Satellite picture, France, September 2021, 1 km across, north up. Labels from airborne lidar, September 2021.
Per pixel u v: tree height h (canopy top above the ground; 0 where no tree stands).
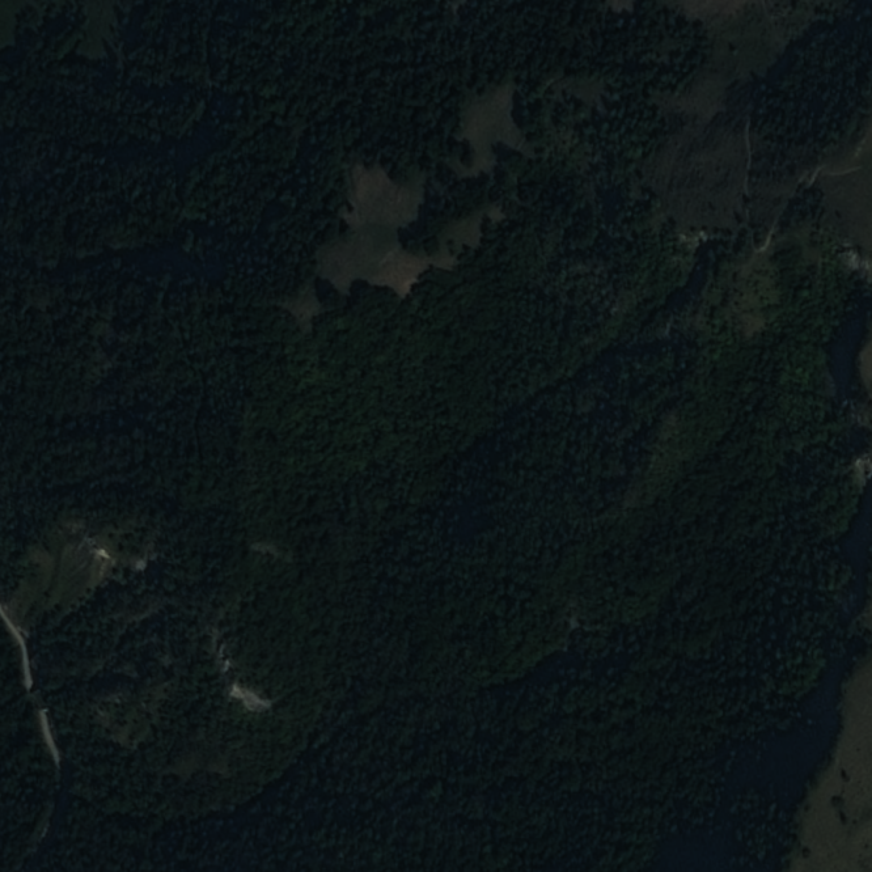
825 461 6
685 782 21
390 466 21
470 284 14
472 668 26
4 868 20
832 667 12
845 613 0
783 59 0
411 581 23
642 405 17
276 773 23
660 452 7
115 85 22
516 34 20
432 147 15
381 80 17
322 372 17
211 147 19
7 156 25
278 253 24
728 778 15
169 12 15
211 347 23
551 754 16
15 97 31
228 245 29
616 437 18
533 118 17
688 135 0
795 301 14
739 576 18
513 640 20
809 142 10
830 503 15
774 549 19
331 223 21
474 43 21
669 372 9
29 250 24
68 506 28
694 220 0
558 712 17
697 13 0
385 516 16
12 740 15
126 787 23
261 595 19
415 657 35
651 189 0
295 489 21
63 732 17
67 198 16
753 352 17
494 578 23
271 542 15
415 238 16
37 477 16
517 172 19
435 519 20
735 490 14
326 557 23
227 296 25
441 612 33
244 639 17
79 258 22
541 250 10
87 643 17
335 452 19
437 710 20
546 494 21
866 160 0
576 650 12
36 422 24
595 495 14
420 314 13
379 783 27
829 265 8
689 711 21
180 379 20
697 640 24
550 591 13
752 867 17
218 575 24
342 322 16
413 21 12
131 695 6
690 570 18
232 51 18
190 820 22
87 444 20
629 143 11
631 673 24
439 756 24
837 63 11
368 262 0
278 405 21
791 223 7
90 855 14
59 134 28
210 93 10
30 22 15
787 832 14
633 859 19
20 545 14
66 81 12
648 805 20
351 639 23
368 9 16
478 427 24
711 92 0
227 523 22
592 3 15
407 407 19
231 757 11
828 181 0
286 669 22
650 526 19
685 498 25
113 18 0
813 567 10
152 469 15
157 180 18
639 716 16
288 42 18
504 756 25
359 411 27
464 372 27
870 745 0
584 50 9
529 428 24
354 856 22
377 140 17
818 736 11
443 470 11
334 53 17
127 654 7
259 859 21
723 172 0
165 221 10
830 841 0
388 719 18
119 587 10
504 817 30
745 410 21
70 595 0
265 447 18
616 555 23
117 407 9
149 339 22
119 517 14
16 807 22
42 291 11
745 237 7
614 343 9
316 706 17
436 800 22
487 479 29
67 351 24
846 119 13
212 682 13
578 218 10
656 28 7
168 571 11
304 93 28
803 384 17
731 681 15
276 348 16
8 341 23
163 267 22
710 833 20
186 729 6
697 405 17
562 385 16
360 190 0
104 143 26
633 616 21
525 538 21
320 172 22
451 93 9
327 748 16
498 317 20
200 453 8
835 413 9
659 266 12
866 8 11
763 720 22
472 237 0
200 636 10
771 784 19
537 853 26
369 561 17
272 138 17
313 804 30
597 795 16
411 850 25
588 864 24
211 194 24
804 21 0
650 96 7
